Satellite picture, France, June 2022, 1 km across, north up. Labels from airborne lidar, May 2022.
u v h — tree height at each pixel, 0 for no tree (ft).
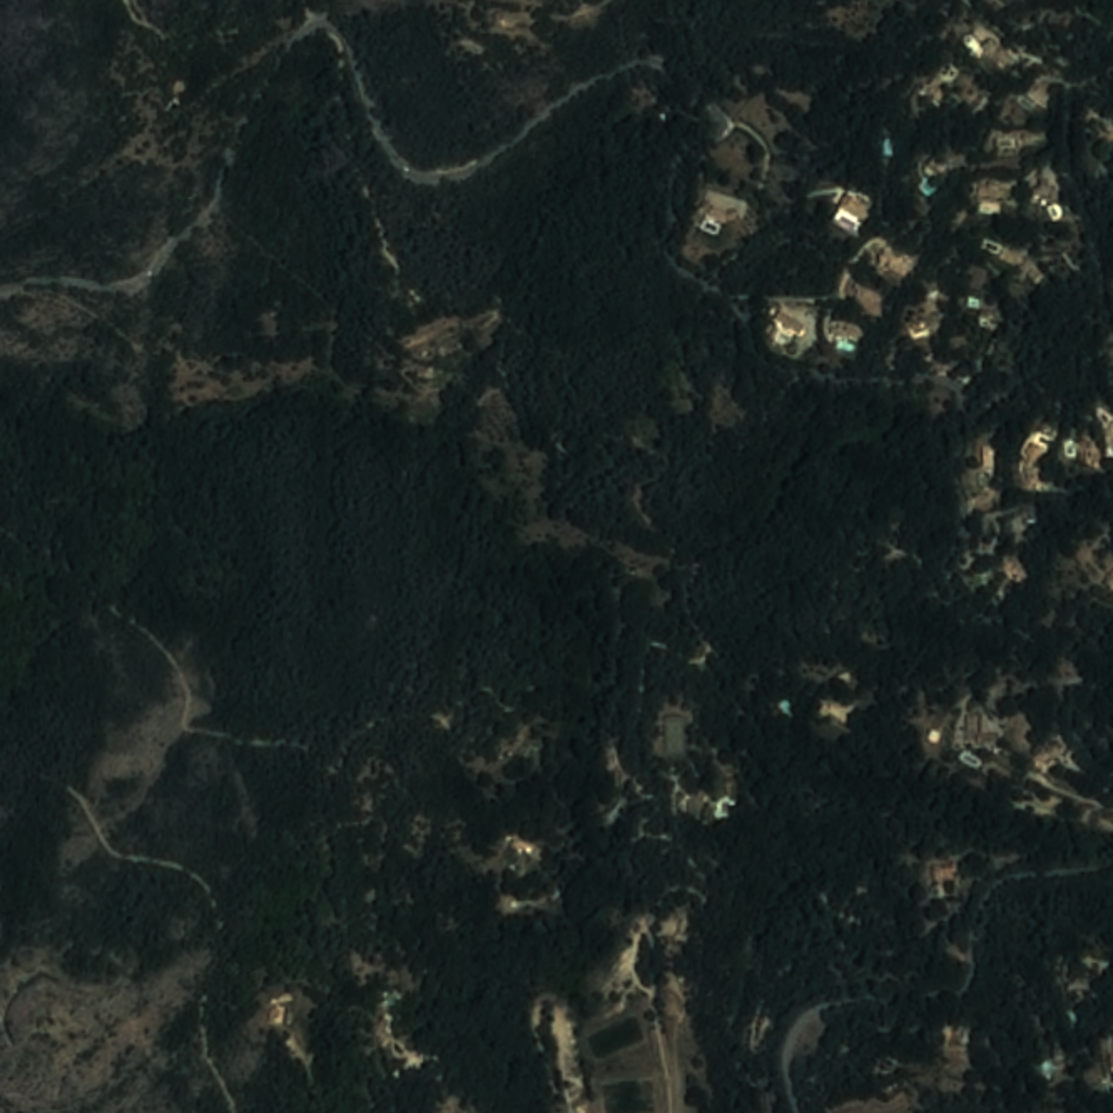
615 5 21
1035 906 49
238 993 48
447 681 36
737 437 25
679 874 28
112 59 21
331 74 52
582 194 48
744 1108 64
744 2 32
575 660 52
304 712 36
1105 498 52
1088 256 47
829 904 21
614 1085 0
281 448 58
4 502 31
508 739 57
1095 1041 44
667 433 43
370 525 45
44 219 28
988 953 35
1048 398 40
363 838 28
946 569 29
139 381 26
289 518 51
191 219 23
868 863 47
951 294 45
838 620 51
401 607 26
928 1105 48
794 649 57
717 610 36
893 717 47
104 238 18
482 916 51
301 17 29
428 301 31
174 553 54
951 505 57
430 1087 33
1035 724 39
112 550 33
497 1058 44
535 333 36
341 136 79
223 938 32
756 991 19
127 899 53
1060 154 51
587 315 49
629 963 0
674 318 38
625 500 56
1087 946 21
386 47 22
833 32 35
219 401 37
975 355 25
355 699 26
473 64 36
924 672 50
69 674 33
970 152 34
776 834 50
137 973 28
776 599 55
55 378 31
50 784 46
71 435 50
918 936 41
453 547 46
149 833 21
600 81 25
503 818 48
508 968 35
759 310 33
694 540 40
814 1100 32
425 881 47
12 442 50
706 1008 19
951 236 39
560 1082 27
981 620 32
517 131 43
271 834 42
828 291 33
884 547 34
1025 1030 54
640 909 57
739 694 41
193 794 18
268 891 28
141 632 19
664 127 37
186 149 23
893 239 24
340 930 54
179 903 23
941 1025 34
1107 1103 49
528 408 49
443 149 24
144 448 36
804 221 44
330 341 32
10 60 43
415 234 57
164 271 20
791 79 63
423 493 56
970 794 50
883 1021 47
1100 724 37
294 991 50
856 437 22
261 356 62
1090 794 43
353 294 44
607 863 53
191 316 34
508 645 72
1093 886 43
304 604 47
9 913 35
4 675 44
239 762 20
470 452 19
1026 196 44
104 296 31
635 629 32
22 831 41
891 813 39
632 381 32
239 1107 27
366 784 23
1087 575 18
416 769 59
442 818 32
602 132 37
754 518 43
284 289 37
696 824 56
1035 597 47
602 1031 0
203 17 21
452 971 40
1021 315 37
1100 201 39
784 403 29
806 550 41
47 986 0
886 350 52
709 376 40
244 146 28
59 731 48
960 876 21
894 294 23
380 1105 43
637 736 36
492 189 40
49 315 0
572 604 43
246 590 55
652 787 26
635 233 39
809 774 41
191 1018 29
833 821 49
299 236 25
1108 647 37
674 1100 0
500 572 58
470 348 39
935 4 35
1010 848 37
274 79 36
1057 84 27
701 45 36
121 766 0
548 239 33
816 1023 0
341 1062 45
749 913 40
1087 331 51
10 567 29
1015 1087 37
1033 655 54
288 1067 40
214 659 39
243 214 36
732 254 29
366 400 34
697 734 35
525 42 40
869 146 33
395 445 39
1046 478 54
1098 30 37
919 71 24
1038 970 56
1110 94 29
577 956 22
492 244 34
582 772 69
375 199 31
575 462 40
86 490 44
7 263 26
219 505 66
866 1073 61
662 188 36
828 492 43
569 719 40
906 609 40
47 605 34
